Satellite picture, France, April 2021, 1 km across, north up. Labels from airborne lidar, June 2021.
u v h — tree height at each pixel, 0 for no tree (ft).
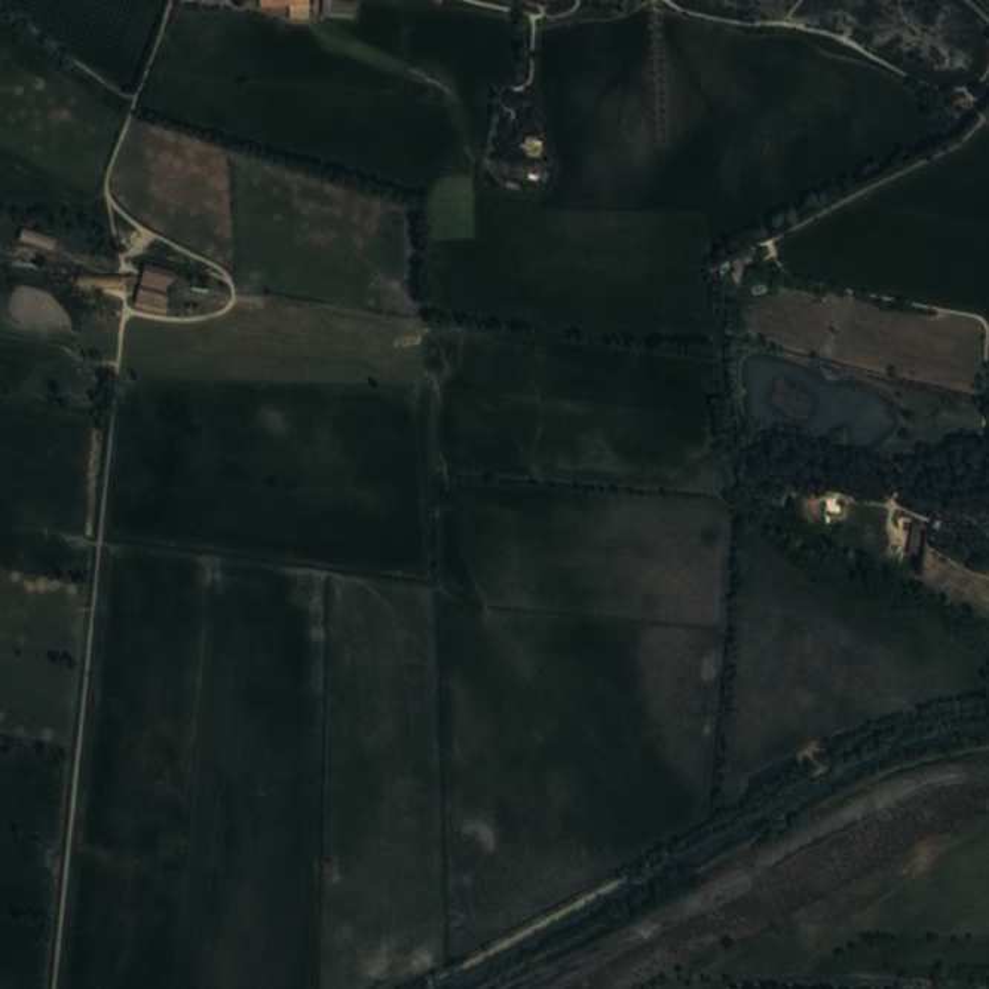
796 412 0
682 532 0
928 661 0
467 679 0
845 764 40
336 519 0
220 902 0
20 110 0
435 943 0
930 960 0
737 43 0
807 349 0
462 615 0
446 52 0
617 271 0
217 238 0
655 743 0
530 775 0
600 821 0
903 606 64
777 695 0
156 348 0
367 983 0
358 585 0
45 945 0
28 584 0
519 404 0
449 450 0
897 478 53
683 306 0
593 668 0
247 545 0
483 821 0
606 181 0
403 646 0
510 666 0
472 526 0
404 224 0
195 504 0
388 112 0
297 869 0
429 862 0
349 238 0
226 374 0
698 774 0
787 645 0
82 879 0
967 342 0
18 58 0
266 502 0
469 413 0
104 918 0
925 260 0
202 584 0
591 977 0
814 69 0
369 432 0
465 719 0
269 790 0
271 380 0
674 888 37
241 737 0
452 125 0
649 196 0
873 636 0
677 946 0
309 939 0
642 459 0
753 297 0
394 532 0
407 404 0
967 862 0
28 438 0
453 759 0
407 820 0
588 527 0
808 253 0
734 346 35
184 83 0
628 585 0
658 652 0
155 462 0
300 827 0
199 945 0
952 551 55
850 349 0
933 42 0
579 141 0
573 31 0
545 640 0
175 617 0
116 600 0
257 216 0
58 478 0
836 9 0
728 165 0
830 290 37
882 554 0
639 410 0
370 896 0
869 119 0
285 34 0
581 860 0
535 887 0
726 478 18
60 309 0
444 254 0
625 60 0
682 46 0
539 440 0
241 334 0
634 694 0
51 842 0
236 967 0
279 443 0
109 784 0
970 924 0
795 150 0
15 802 0
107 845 0
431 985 34
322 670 0
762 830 40
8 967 0
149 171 0
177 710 0
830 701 0
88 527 0
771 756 0
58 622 0
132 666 0
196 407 0
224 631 0
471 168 0
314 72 0
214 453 0
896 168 52
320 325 0
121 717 0
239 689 0
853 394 0
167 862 0
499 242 0
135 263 0
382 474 0
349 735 0
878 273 0
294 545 0
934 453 50
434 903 0
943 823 0
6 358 0
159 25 27
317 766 0
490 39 0
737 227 0
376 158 0
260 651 0
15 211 22
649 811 0
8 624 0
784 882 0
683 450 0
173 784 0
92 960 0
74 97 0
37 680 0
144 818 0
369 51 0
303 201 0
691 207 0
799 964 0
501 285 0
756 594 0
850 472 64
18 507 0
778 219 62
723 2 0
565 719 0
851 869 0
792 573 0
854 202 0
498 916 0
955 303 0
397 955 0
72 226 23
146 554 0
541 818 0
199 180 0
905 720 35
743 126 0
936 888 0
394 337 0
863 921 0
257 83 0
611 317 0
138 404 0
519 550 0
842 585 0
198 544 0
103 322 0
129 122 0
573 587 0
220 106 0
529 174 0
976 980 25
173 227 0
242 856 0
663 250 0
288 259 0
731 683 28
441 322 69
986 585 0
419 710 0
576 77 0
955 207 0
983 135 0
